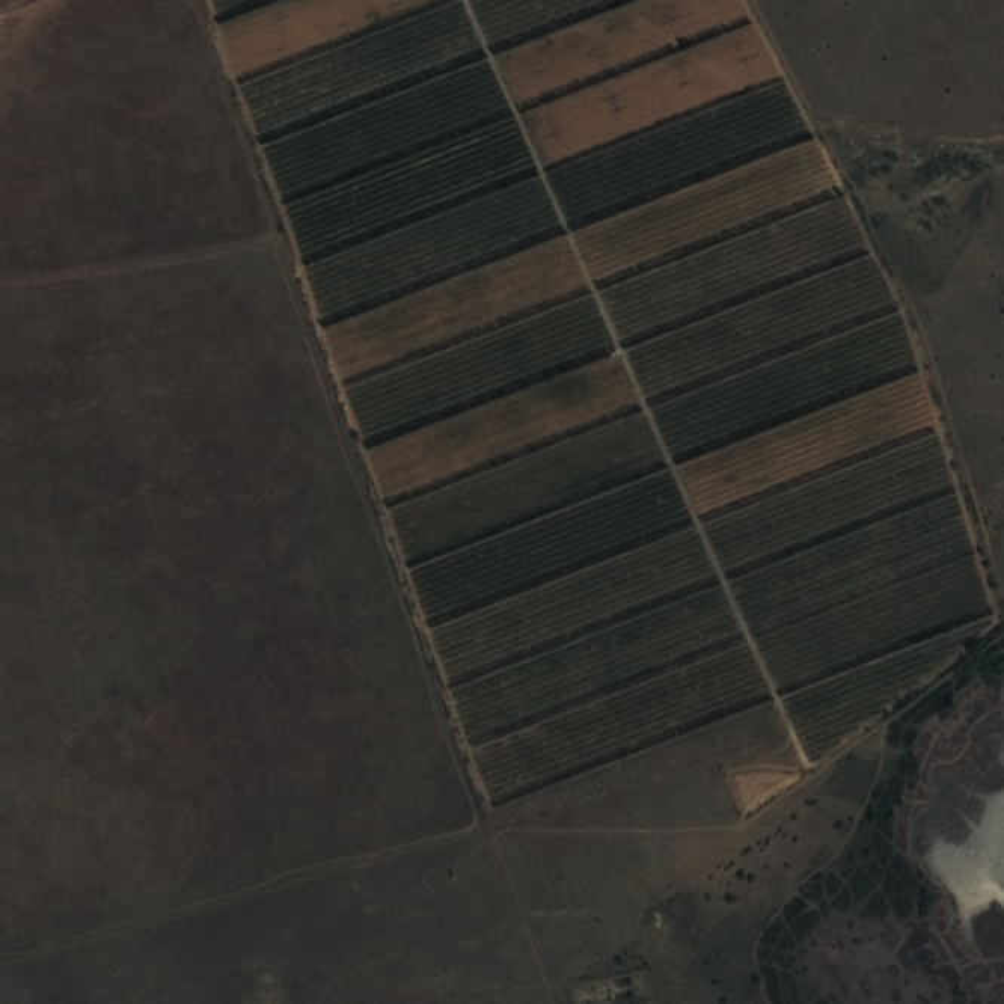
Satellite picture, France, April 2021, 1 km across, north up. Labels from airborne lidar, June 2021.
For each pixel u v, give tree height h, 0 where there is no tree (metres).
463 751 0
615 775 0
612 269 0
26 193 0
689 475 0
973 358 0
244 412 0
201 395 0
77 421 0
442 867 0
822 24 0
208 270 0
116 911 0
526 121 0
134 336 0
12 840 0
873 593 7
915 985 0
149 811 0
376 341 0
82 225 0
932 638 15
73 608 0
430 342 0
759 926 0
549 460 0
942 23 0
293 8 0
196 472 0
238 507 0
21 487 0
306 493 0
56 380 0
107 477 0
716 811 0
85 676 0
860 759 0
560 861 0
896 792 0
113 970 0
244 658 0
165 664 0
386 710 0
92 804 0
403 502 13
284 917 0
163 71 0
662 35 0
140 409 0
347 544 0
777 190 0
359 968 0
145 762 0
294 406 0
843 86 0
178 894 0
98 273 0
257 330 0
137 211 0
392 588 0
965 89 0
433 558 13
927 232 0
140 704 0
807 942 0
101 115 0
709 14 0
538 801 0
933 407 0
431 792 0
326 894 0
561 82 0
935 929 0
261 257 0
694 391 14
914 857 0
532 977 0
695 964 0
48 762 0
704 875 0
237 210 0
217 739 0
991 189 0
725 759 0
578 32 0
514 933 0
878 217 0
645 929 0
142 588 0
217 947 0
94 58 0
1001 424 0
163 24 0
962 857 0
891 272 0
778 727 0
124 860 0
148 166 0
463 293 0
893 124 0
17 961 0
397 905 0
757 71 0
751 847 0
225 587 0
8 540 0
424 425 17
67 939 0
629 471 0
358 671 0
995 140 0
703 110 9
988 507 0
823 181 0
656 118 0
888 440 0
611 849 0
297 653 0
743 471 0
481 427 0
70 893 0
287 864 0
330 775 0
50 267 0
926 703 0
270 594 0
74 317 0
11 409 0
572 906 0
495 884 0
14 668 0
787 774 0
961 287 0
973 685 10
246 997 0
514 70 0
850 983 0
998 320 0
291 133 14
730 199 0
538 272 0
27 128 0
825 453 0
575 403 0
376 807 0
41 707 0
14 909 0
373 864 0
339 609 0
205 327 0
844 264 14
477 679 11
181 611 0
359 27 0
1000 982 0
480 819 0
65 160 0
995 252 0
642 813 0
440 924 0
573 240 0
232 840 0
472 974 0
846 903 0
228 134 0
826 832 0
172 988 0
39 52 0
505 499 0
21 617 0
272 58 0
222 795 0
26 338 0
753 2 0
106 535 0
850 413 0
